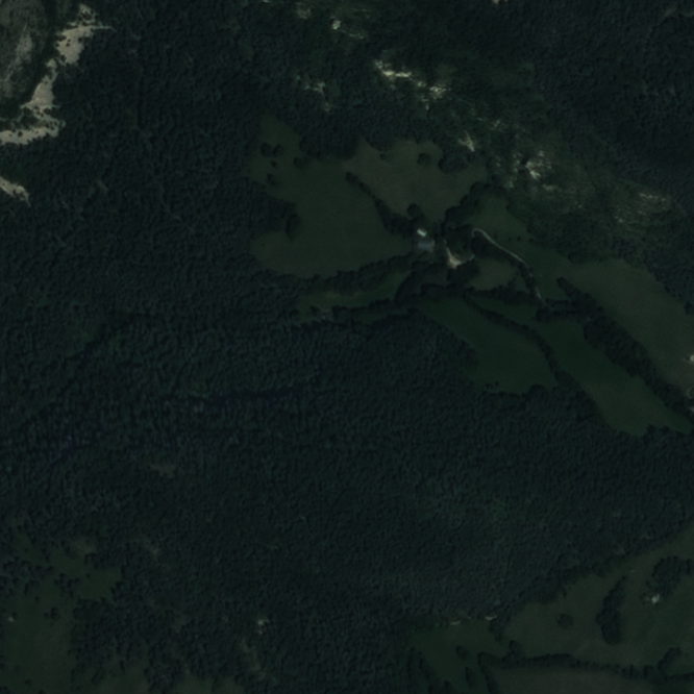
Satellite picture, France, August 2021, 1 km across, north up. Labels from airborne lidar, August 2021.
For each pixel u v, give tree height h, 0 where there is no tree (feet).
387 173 0
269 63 60
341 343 75
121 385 66
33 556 0
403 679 61
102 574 0
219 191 55
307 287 69
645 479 84
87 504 48
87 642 30
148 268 77
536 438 106
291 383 90
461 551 61
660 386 72
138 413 121
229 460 60
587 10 66
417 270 48
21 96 24
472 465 87
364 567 68
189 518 39
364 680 33
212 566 73
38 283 47
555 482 87
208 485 48
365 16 22
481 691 0
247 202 88
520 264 34
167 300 65
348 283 51
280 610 67
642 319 0
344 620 84
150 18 37
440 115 24
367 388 112
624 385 0
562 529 46
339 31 19
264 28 72
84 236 89
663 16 73
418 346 75
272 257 0
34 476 83
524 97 21
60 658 0
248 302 102
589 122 54
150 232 61
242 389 83
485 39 59
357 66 35
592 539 56
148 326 31
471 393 86
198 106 77
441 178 0
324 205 0
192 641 33
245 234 77
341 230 0
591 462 90
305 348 84
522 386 0
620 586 39
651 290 0
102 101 92
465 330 0
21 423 47
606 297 0
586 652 0
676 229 44
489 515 41
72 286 80
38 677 0
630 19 55
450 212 44
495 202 0
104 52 94
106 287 85
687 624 0
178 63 87
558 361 46
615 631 71
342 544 71
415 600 66
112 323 50
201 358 84
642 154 62
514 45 54
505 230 0
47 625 0
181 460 74
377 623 23
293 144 0
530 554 52
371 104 51
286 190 0
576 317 103
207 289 76
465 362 63
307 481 69
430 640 0
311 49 38
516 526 65
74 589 63
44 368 76
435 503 36
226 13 85
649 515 56
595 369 0
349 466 61
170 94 88
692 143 62
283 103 75
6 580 46
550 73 53
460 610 40
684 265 30
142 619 45
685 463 103
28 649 0
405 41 25
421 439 82
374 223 0
